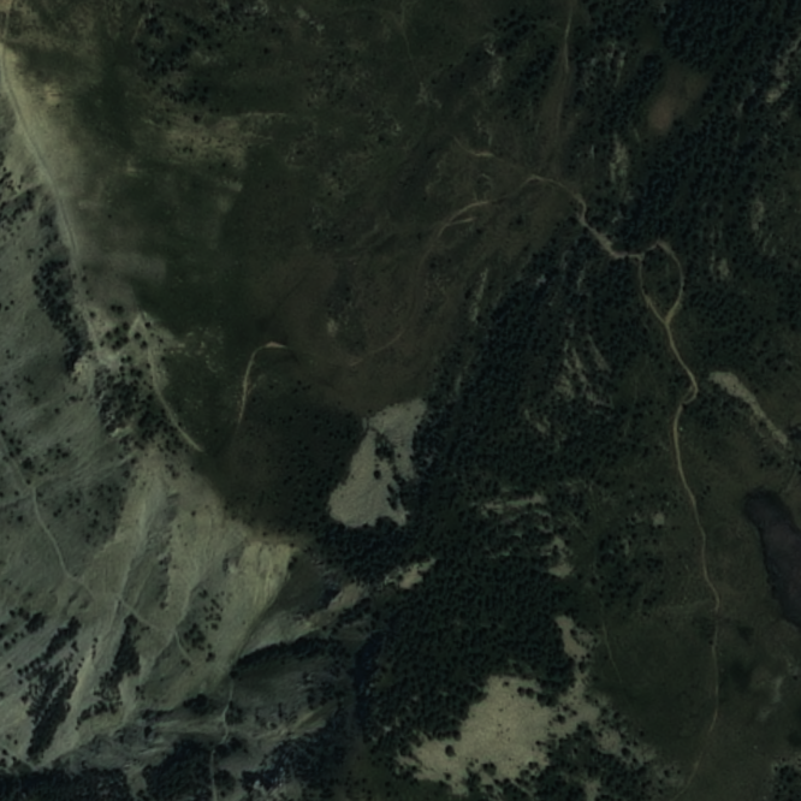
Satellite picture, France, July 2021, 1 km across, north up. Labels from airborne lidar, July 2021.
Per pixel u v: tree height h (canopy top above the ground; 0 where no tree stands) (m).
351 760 0
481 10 0
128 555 0
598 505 0
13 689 0
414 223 0
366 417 0
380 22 0
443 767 0
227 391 0
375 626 6
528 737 0
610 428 14
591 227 7
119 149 0
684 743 0
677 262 0
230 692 0
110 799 7
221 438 0
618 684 0
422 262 0
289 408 0
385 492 0
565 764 13
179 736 0
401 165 0
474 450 10
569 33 0
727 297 8
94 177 0
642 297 0
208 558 0
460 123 0
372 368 0
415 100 0
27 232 0
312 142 0
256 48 0
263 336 0
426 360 0
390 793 8
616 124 12
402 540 8
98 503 0
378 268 0
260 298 0
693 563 0
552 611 12
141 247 0
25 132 0
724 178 12
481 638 15
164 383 0
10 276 0
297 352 0
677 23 18
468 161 0
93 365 0
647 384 0
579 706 0
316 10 0
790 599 0
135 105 0
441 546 11
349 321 0
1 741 0
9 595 0
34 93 0
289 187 0
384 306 0
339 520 0
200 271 0
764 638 0
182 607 0
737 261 11
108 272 0
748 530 0
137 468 0
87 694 0
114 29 0
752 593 0
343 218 0
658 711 0
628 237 16
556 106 0
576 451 14
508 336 7
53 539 0
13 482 0
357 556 10
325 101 0
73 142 0
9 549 0
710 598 0
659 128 0
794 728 0
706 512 0
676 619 0
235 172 0
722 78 9
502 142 0
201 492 0
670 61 0
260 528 0
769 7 11
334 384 0
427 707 14
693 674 0
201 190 0
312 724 0
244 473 0
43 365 0
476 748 0
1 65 0
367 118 0
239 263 0
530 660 9
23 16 0
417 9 0
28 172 0
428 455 6
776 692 0
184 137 0
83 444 0
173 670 0
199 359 0
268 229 0
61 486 0
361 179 0
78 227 0
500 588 16
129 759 0
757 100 12
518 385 6
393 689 9
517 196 0
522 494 12
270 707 0
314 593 0
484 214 0
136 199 0
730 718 0
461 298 0
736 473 0
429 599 13
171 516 0
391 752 12
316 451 0
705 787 0
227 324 0
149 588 0
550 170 0
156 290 0
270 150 0
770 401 0
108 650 0
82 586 0
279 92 0
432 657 9
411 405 0
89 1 0
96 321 0
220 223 0
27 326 0
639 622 0
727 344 9
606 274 7
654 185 12
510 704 0
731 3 14
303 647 15
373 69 0
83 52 0
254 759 0
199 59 0
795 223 0
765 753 0
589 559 0
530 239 0
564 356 6
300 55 0
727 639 0
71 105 0
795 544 0
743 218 9
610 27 9
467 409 9
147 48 12
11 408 0
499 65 0
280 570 0
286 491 0
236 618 0
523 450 13
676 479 0
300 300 0
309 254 0
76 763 0
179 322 0
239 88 0
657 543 6
